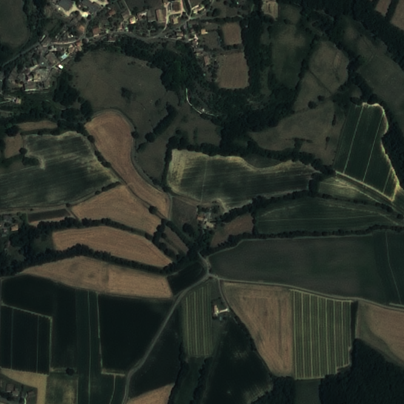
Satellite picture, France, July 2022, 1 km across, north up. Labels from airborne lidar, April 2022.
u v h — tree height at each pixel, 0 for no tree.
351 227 0
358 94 0
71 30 11
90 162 0
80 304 0
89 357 0
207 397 0
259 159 0
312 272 0
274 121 31
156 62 16
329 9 20
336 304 0
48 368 0
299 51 0
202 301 0
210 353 0
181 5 0
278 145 0
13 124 14
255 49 8
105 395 0
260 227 0
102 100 0
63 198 0
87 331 0
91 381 0
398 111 0
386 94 0
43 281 0
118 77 0
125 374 0
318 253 0
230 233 0
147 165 0
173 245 0
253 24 20
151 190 0
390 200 0
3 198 0
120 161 0
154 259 0
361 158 0
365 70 0
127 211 0
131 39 9
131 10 6
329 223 0
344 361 0
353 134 0
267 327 0
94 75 0
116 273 0
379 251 0
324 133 0
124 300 0
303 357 0
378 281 0
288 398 21
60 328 0
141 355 0
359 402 18
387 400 17
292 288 0
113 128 0
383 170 0
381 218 0
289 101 8
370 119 0
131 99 0
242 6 8
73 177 0
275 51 0
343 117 0
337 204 0
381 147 0
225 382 0
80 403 0
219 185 0
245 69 0
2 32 0
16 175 0
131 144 0
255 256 0
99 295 0
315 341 0
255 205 13
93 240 0
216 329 0
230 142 17
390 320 0
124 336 0
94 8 0
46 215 0
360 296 0
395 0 10
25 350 0
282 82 0
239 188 0
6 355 0
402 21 0
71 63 0
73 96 18
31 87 0
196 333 0
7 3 0
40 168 0
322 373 0
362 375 21
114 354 0
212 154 24
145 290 0
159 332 0
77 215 0
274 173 0
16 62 6
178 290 0
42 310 0
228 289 0
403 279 0
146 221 0
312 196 17
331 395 22
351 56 11
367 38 0
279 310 0
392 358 0
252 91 6
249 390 0
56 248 0
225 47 8
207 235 12
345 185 0
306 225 0
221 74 0
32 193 0
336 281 0
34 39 0
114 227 13
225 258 0
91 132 0
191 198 0
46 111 19
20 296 0
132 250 0
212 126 0
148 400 0
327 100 0
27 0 15
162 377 0
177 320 0
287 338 0
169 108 12
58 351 0
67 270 0
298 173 0
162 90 0
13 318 0
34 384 0
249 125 18
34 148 0
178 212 0
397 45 16
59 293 0
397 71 0
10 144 0
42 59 0
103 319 0
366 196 0
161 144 0
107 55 0
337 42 15
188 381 0
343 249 0
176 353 0
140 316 0
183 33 9
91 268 0
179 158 0
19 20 0
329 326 0
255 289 0
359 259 0
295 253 0
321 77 0
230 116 10
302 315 0
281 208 0
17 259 0
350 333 0
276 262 0
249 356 0
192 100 10
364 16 19
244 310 0
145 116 0
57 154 0
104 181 0
